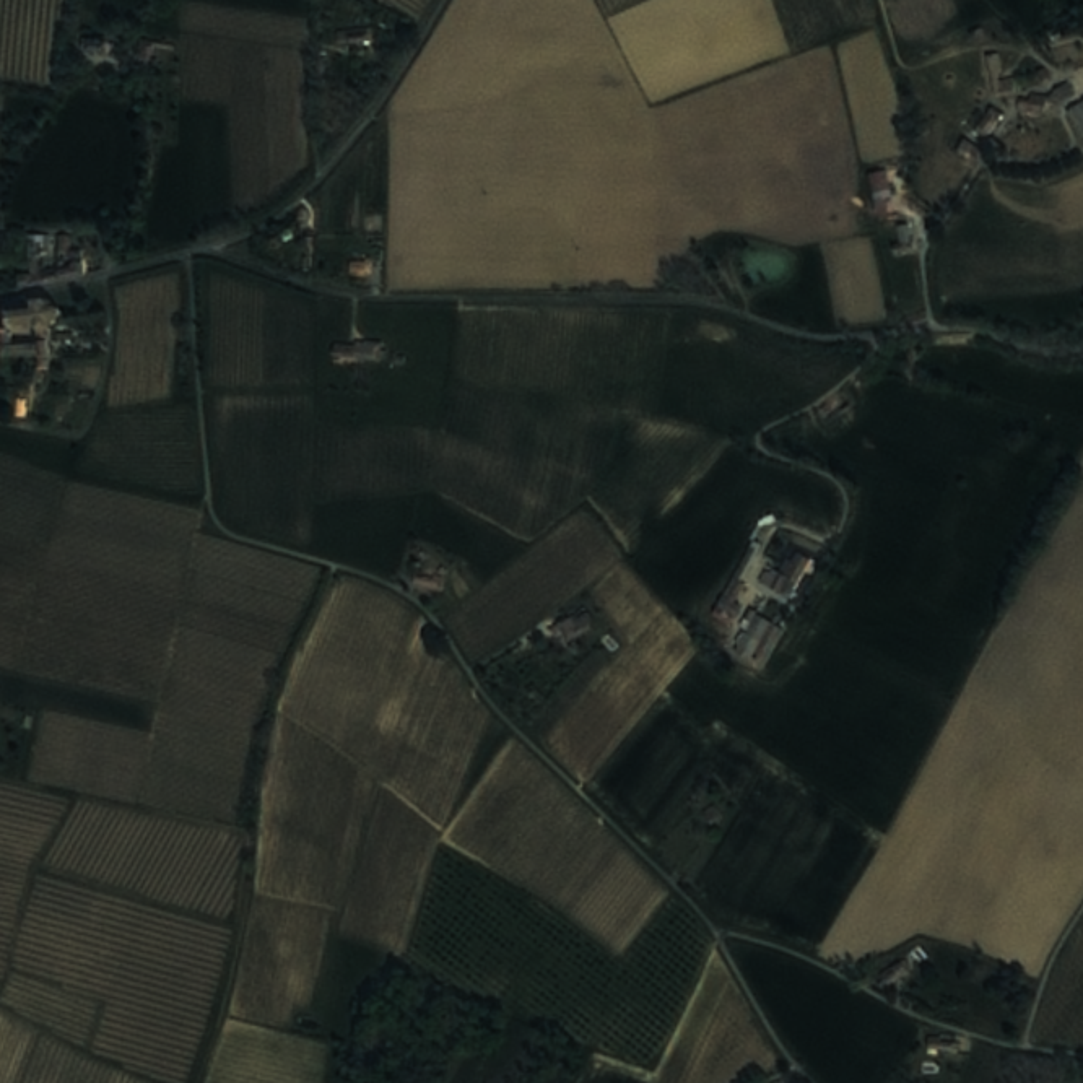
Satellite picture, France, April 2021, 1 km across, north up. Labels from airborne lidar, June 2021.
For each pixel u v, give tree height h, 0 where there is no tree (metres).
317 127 13
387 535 0
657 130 0
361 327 0
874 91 0
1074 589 0
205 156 0
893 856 0
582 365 0
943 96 0
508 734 0
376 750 0
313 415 0
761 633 0
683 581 0
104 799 0
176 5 14
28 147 9
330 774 0
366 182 0
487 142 0
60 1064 0
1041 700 0
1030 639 0
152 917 0
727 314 0
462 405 0
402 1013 21
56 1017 0
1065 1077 20
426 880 0
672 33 0
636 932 0
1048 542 16
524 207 0
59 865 0
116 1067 0
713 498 0
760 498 0
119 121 0
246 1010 0
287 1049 0
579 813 0
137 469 0
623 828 0
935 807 0
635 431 0
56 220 0
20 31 0
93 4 0
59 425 6
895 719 0
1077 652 0
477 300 0
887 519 0
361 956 0
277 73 0
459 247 0
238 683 0
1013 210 0
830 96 0
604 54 0
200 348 7
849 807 0
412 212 0
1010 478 0
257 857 13
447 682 0
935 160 0
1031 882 0
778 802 0
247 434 0
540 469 0
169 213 0
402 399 0
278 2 0
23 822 0
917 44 0
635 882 0
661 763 0
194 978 0
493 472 0
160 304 0
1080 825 0
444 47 0
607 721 0
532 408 0
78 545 0
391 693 0
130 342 0
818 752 0
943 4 0
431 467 0
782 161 0
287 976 0
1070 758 0
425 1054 20
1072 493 20
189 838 0
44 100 8
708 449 0
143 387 0
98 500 0
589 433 0
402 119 0
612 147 0
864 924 0
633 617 0
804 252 0
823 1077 0
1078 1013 0
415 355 0
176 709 0
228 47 0
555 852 0
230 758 0
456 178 0
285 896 0
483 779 0
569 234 0
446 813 0
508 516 0
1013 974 10
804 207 0
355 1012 7
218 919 0
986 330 19
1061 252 0
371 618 0
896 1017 0
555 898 0
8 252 18
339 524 0
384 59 10
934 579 0
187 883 0
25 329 0
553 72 0
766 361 0
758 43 0
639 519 0
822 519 0
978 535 0
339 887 0
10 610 0
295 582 0
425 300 0
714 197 0
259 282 0
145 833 0
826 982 0
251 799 14
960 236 0
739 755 0
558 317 0
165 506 0
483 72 0
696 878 0
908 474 0
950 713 0
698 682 0
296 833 0
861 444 0
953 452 0
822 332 0
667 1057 0
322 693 0
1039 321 0
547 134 0
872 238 0
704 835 12
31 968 0
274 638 0
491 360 0
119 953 0
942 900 0
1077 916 0
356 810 0
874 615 0
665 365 0
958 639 0
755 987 0
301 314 0
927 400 0
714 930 0
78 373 0
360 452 0
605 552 0
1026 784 0
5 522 0
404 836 0
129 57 10
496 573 0
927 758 0
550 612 0
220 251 0
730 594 0
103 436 0
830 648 0
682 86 0
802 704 0
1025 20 0
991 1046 0
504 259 0
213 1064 0
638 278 0
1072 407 0
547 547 0
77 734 0
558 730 0
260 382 0
